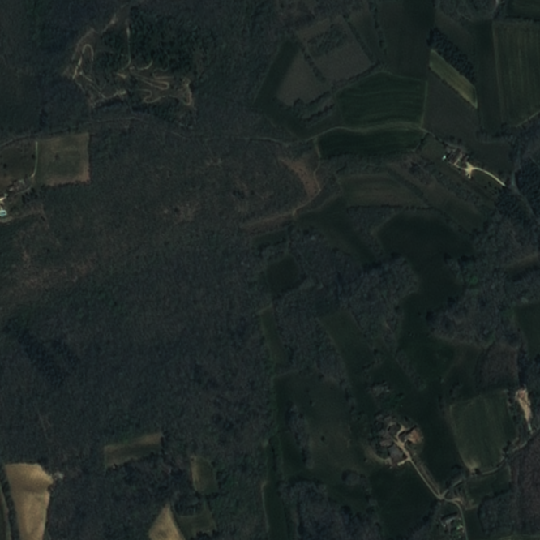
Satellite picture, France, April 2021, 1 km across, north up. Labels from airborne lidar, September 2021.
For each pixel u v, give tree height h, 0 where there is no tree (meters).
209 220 14
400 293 25
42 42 7
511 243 21
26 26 21
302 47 8
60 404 16
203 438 20
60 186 9
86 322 20
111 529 18
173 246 16
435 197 0
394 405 6
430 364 0
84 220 12
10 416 10
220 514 14
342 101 0
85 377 14
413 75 0
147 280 14
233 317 20
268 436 24
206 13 16
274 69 0
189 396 21
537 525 7
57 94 20
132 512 21
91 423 14
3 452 17
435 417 0
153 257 18
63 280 10
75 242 12
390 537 0
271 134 12
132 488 26
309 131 0
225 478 15
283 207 15
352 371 0
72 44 18
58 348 19
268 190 12
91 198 23
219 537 21
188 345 17
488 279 21
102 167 19
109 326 18
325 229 0
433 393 0
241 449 21
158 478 16
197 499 12
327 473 0
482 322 20
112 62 10
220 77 13
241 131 12
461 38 0
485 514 16
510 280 20
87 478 24
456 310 22
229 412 19
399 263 21
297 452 0
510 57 0
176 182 13
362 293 21
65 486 17
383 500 0
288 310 9
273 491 0
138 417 21
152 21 11
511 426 0
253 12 6
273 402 15
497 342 18
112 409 22
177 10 13
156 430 19
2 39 14
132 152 16
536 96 0
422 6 0
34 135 9
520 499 6
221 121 16
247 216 9
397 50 0
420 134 0
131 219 12
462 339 14
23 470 0
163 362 17
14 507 12
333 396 0
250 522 15
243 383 24
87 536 13
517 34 0
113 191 16
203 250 17
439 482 0
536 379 21
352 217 11
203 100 13
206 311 13
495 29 0
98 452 19
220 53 20
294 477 0
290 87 0
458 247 0
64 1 10
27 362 18
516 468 8
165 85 0
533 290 19
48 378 19
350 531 24
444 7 12
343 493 0
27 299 15
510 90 0
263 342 16
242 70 14
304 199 11
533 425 17
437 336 18
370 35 0
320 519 19
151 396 21
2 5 13
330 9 12
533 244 24
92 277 16
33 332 8
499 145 0
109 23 8
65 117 19
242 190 6
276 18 10
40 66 11
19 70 13
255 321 20
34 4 16
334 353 17
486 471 0
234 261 16
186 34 15
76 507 12
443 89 0
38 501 0
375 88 0
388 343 16
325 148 0
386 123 0
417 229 0
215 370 22
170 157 13
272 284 0
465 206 0
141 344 16
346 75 0
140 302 17
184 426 21
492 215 11
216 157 14
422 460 0
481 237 23
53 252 8
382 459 8
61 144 0
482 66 0
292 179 11
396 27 0
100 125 15
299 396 0
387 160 10
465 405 0
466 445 0
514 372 7
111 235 14
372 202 0
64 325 17
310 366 7
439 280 0
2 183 0
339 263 9
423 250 0
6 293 11
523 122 0
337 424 0
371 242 13
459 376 0
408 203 0
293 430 24
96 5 9
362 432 0
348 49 0
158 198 10
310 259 7
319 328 17
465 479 9
